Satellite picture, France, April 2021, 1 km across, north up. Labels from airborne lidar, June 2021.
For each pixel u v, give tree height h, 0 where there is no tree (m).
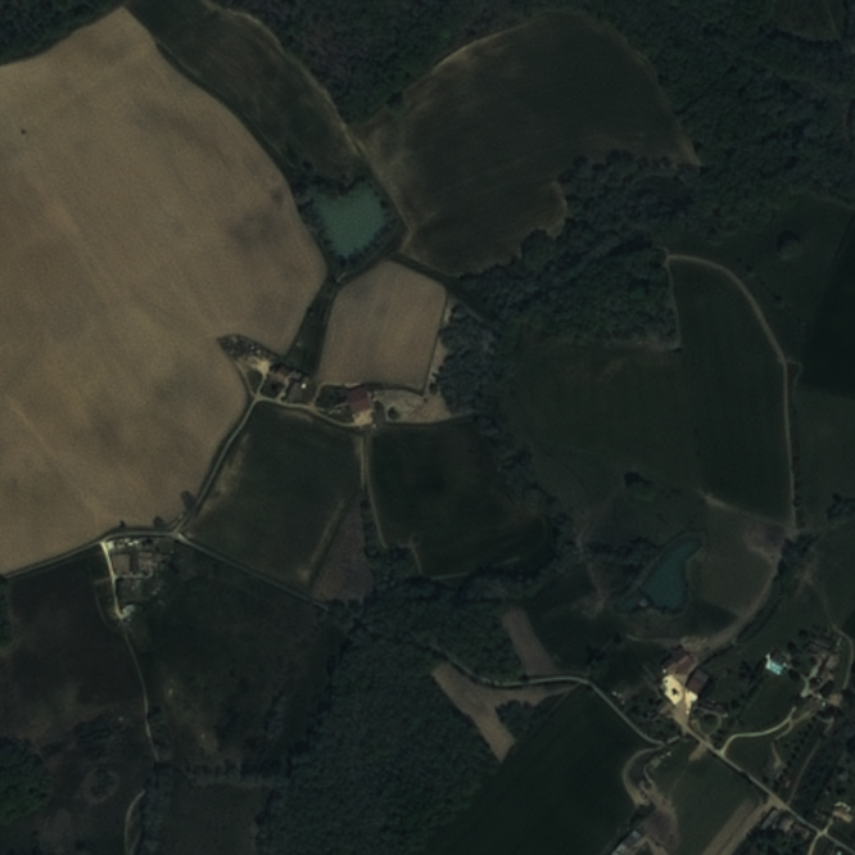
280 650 0
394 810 19
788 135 8
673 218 20
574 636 0
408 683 23
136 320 0
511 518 0
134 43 0
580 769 0
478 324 9
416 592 19
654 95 0
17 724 0
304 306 0
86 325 0
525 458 16
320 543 0
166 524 11
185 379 0
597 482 0
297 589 0
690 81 27
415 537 0
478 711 0
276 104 0
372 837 19
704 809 0
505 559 0
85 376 0
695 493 0
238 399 0
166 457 0
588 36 0
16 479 0
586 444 0
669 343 15
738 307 0
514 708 10
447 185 0
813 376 0
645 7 25
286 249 0
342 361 0
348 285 0
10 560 0
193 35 0
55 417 0
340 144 0
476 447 0
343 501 0
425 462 0
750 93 23
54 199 0
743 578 0
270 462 0
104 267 0
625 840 0
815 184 23
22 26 15
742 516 0
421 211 0
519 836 0
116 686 0
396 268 0
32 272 0
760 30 19
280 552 0
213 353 0
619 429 0
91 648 0
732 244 0
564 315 23
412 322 0
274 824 17
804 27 0
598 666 18
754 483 0
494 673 21
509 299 12
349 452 0
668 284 15
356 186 8
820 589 0
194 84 0
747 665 9
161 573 0
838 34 0
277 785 22
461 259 0
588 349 0
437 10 14
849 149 9
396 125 0
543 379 0
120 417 0
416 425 0
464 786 19
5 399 0
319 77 12
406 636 22
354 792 18
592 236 17
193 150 0
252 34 0
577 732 0
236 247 0
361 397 0
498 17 20
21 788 17
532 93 0
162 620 0
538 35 0
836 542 0
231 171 0
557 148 0
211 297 0
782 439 0
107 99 0
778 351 0
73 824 0
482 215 0
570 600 0
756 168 18
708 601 0
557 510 14
